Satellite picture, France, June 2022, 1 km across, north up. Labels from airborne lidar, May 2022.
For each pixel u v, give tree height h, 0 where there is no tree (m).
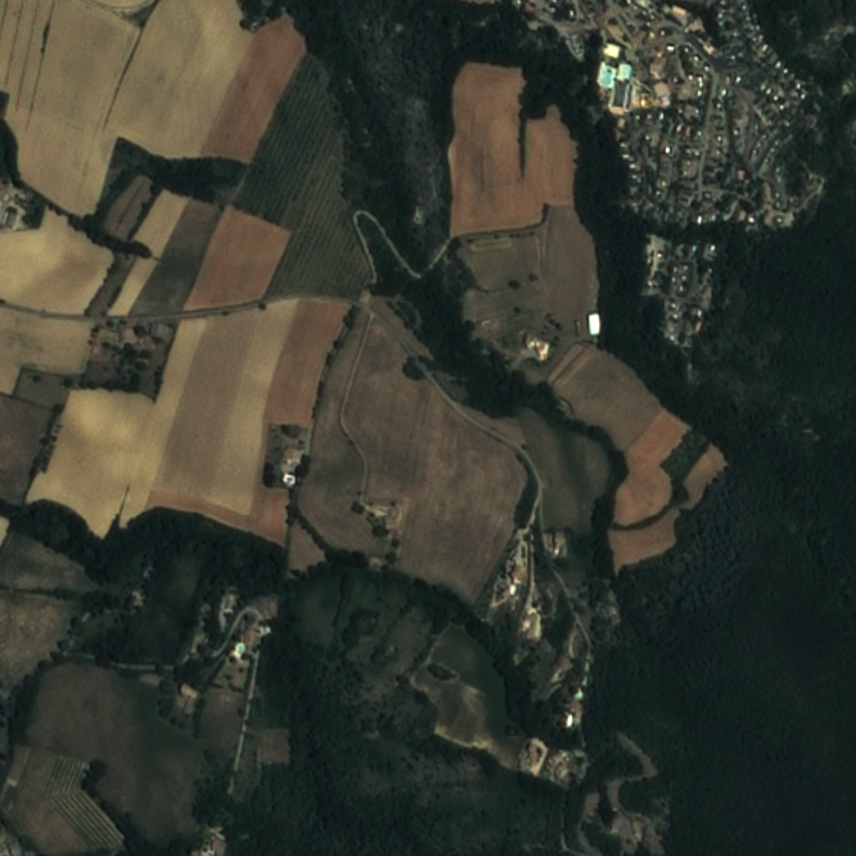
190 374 0
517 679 18
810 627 10
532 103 13
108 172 0
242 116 0
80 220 14
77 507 0
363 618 11
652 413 0
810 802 8
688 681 8
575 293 0
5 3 0
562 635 8
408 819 8
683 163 7
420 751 8
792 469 9
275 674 14
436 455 0
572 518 0
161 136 0
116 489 0
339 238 0
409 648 0
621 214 9
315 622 0
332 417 0
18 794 0
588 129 16
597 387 0
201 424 0
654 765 7
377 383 0
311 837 19
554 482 0
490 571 0
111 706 0
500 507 0
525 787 15
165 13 0
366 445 0
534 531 9
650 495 0
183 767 0
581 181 14
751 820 7
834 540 8
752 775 7
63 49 0
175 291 0
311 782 19
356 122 11
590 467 0
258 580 11
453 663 0
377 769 7
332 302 0
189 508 0
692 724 8
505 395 13
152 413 0
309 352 0
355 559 17
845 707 10
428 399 0
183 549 16
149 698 0
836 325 9
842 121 7
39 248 0
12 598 0
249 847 11
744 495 12
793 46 6
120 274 0
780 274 11
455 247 9
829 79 7
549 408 8
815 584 5
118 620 7
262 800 7
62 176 0
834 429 8
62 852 0
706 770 9
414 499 0
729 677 8
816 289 10
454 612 9
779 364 7
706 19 7
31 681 9
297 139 6
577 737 12
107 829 0
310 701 14
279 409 0
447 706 0
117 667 7
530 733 15
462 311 8
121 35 0
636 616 13
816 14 9
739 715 7
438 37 9
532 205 0
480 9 9
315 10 18
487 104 0
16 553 0
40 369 0
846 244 7
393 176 11
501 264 0
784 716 7
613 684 10
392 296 7
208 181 11
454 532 0
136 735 0
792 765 10
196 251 0
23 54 0
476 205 0
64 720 0
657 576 10
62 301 0
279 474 0
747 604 10
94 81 0
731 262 11
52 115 0
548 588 0
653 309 13
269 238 0
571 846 8
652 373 11
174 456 0
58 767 0
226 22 0
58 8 0
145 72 0
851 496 7
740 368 8
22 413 0
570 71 8
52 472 0
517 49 7
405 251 13
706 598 17
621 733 8
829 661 8
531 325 0
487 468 0
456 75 10
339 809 10
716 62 0
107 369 5
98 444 0
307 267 0
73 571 0
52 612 0
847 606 9
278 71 0
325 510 0
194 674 9
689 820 8
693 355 8
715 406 9
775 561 8
